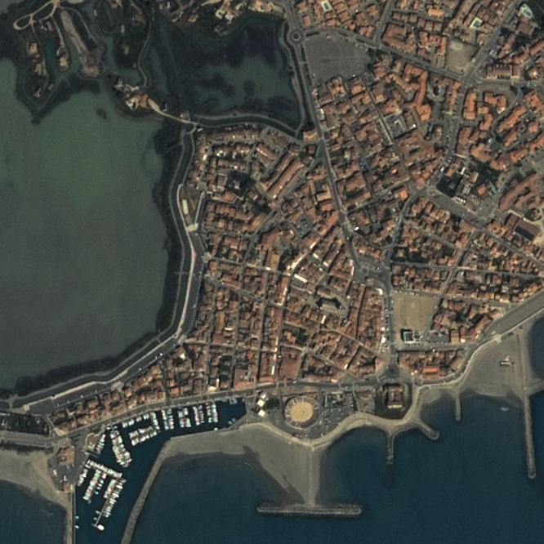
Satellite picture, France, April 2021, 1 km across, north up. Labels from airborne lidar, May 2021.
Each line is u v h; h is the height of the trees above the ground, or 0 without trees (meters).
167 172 0
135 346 0
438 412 0
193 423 0
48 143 0
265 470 0
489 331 0
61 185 0
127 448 0
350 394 0
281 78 0
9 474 0
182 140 0
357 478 0
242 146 0
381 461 0
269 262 0
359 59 0
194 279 0
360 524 0
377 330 0
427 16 0
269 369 0
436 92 8
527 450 0
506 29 6
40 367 0
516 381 0
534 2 0
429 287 0
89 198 0
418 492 0
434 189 0
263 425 0
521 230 0
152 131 0
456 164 0
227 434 0
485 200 0
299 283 0
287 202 9
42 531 0
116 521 0
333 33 0
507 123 0
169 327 0
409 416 0
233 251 0
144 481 0
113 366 0
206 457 0
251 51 0
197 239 0
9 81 0
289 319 0
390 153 0
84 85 0
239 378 0
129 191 0
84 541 0
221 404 0
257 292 0
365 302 0
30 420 6
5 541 0
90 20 7
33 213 0
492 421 0
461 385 0
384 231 0
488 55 0
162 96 0
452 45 0
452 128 0
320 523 0
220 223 0
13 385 0
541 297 0
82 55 0
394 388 0
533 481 0
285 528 0
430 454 0
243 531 0
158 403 0
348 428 0
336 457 0
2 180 0
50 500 0
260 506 0
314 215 0
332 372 0
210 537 0
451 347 0
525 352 0
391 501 0
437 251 5
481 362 0
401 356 0
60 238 0
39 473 0
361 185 0
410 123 0
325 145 0
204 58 0
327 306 0
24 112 0
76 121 0
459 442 0
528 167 0
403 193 0
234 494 0
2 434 0
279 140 0
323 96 0
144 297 0
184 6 0
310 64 0
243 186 8
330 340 0
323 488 0
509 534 0
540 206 0
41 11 0
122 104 0
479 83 0
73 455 0
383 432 0
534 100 0
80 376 0
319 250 0
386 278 0
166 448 0
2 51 0
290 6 0
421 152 0
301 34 0
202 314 0
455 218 7
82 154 0
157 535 0
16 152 0
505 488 0
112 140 0
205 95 0
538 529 0
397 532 0
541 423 0
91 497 0
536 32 7
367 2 0
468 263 0
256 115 0
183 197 0
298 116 0
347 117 0
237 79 0
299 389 0
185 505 0
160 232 0
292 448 0
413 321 0
